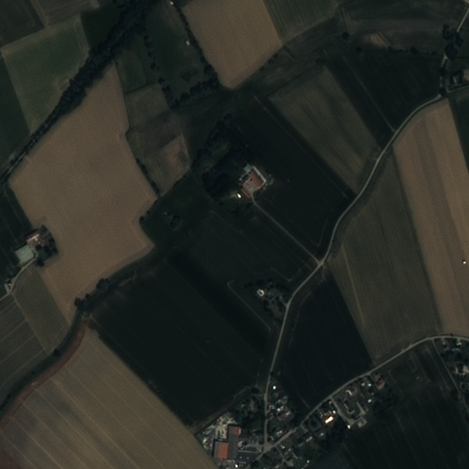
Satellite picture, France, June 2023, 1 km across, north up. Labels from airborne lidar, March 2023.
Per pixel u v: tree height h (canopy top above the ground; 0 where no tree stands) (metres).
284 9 0
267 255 0
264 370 0
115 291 0
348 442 0
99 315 0
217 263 0
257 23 0
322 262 0
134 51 0
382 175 0
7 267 0
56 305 0
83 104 0
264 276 0
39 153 0
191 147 0
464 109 0
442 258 0
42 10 0
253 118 0
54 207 0
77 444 0
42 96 0
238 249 0
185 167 0
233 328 0
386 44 0
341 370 0
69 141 0
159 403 0
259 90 0
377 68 0
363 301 0
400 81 0
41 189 0
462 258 0
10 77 0
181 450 0
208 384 0
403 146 0
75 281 0
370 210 0
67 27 0
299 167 0
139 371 0
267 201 0
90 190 0
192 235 0
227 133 31
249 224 0
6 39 0
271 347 0
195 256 0
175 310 0
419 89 0
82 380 0
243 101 0
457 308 0
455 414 0
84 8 0
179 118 0
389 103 0
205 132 0
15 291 0
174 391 0
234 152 19
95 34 0
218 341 0
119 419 0
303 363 0
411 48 0
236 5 0
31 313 0
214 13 0
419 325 0
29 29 0
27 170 0
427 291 0
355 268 0
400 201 0
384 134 0
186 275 0
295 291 0
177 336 0
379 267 0
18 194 0
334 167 0
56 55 0
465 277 0
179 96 0
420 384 0
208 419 0
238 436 0
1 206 0
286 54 0
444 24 0
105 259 0
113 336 0
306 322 0
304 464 0
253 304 0
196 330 0
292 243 0
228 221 0
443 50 0
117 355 0
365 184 0
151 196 0
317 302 0
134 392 0
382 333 0
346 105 0
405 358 0
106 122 0
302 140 0
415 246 0
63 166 0
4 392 0
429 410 0
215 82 16
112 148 0
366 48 0
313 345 0
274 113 0
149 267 0
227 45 0
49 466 0
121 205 0
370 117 0
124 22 16
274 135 0
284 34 0
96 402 0
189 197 0
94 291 0
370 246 0
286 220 0
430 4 0
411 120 0
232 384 0
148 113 0
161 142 0
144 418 0
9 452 0
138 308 0
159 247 0
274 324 0
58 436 0
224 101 0
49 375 0
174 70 0
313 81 0
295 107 0
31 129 0
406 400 0
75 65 0
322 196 0
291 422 7
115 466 0
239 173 0
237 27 0
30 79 0
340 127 0
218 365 0
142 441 0
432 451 0
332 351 0
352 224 0
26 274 0
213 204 0
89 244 0
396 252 0
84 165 0
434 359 0
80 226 0
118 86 0
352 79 0
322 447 8
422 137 0
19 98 0
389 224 0
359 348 0
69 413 0
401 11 0
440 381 0
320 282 0
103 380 0
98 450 0
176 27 0
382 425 0
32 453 0
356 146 0
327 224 0
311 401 0
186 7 0
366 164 0
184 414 0
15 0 0
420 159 0
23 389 0
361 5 0
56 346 0
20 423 0
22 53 0
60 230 0
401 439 0
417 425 0
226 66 0
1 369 0
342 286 0
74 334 0
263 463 0
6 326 0
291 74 0
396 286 0
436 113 0
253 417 13
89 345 0
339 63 0
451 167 0
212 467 0
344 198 0
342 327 0
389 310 0
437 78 0
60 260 0
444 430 0
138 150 0
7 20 0
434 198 0
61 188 0
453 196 0
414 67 0
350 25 0
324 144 0
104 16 0
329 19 0
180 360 0
